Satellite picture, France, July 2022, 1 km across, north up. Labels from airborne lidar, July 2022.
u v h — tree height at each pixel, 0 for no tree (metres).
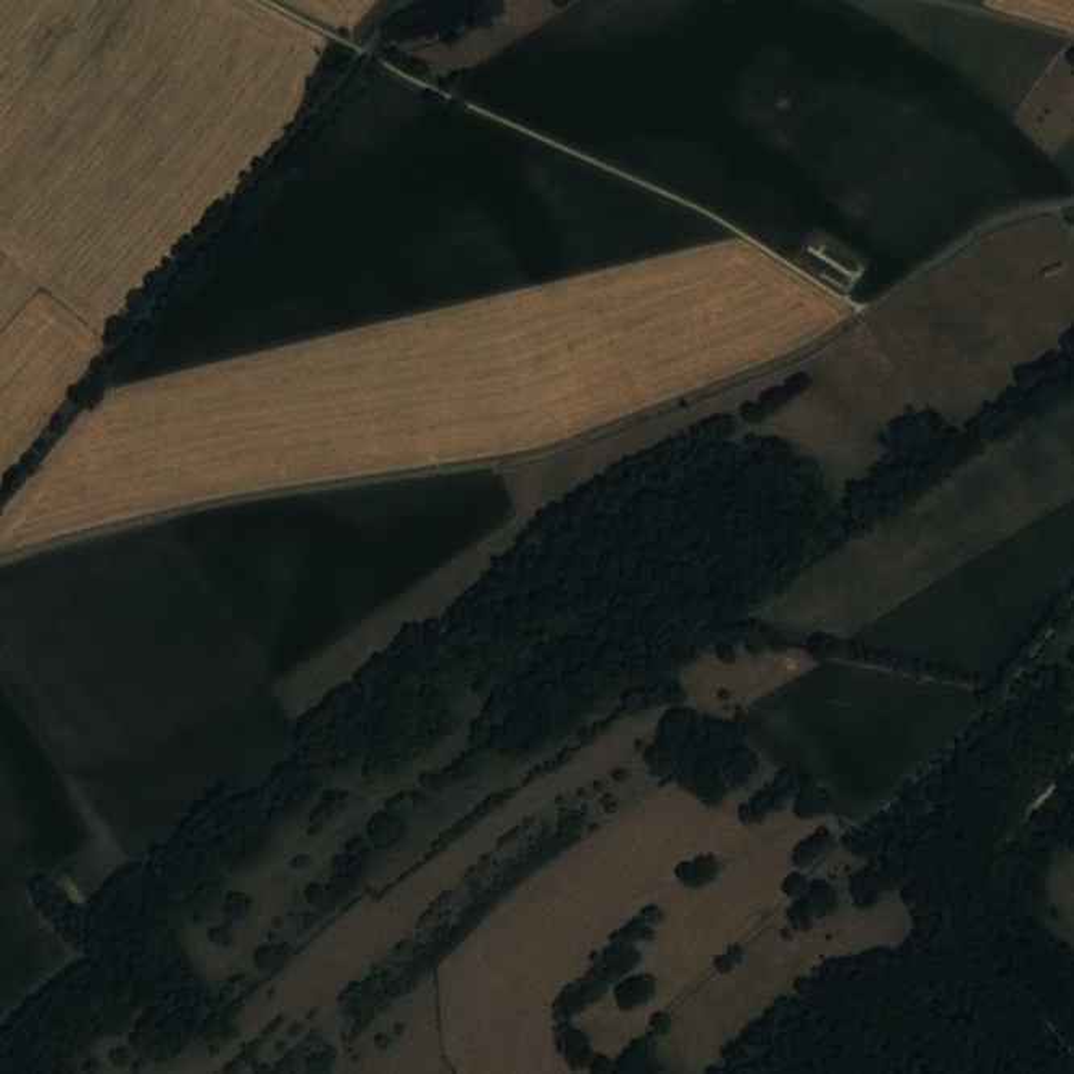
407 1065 0
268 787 9
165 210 0
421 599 0
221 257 16
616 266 0
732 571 14
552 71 0
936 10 0
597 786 7
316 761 11
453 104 12
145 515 0
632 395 0
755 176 0
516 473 0
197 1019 15
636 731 0
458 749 0
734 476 15
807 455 0
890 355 0
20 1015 10
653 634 17
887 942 0
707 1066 0
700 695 0
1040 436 0
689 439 21
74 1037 16
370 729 16
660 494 15
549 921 0
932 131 0
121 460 0
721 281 0
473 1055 0
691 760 29
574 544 22
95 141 0
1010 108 0
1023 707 14
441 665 13
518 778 0
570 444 0
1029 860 21
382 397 0
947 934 21
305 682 0
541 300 0
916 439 26
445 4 20
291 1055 5
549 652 13
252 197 19
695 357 0
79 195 0
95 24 0
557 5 6
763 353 0
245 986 7
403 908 0
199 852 17
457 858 0
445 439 0
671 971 0
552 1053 0
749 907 0
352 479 0
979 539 0
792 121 0
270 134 0
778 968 0
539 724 16
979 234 0
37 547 0
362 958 0
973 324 0
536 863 6
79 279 0
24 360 0
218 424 0
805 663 0
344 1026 0
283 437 0
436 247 0
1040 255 0
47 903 17
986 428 21
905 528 0
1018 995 26
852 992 28
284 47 0
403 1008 0
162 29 0
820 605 0
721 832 0
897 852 24
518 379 0
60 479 0
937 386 0
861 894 18
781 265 0
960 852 26
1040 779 14
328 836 0
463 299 0
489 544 0
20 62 0
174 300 20
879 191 0
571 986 7
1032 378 24
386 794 0
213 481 0
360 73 9
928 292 0
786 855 0
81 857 0
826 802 18
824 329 0
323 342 0
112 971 21
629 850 0
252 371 0
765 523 27
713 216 0
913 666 20
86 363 0
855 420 0
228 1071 8
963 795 25
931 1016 24
